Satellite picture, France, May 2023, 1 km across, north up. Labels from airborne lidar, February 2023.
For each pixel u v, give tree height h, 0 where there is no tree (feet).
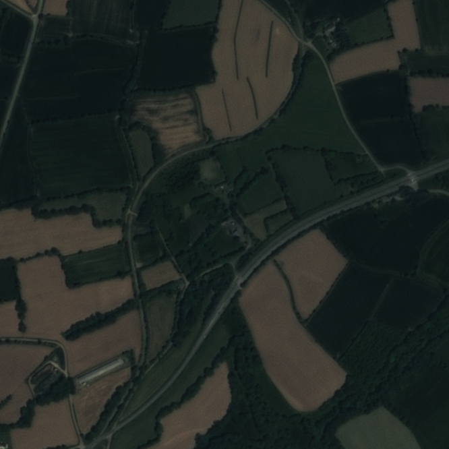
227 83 0
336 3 0
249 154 0
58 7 0
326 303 0
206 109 0
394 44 0
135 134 0
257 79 0
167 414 49
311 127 0
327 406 29
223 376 0
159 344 0
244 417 54
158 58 0
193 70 0
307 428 44
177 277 0
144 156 0
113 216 0
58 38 0
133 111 0
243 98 0
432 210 0
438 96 0
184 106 0
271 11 0
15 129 0
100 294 0
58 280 0
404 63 0
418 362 68
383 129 0
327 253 0
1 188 0
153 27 0
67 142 0
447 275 0
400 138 0
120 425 0
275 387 0
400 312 0
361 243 0
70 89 0
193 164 23
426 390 0
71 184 0
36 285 0
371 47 0
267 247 0
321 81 0
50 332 0
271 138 0
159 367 0
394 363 26
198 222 0
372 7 0
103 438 0
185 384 0
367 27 0
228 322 0
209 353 0
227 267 43
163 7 0
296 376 0
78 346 0
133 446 0
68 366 0
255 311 0
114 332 0
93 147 0
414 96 0
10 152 0
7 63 0
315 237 0
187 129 0
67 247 0
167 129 0
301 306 0
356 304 0
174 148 0
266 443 29
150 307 0
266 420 24
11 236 0
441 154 0
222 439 38
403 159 0
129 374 0
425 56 0
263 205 0
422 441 0
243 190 37
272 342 0
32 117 0
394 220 0
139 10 0
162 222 0
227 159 0
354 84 0
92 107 0
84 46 0
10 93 0
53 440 0
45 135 0
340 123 0
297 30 0
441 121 0
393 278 0
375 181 33
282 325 0
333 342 0
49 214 49
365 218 0
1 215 0
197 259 54
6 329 0
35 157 0
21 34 0
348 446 0
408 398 0
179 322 52
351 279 0
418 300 0
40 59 0
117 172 0
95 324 59
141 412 0
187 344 0
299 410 0
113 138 0
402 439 0
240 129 0
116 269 0
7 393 0
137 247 0
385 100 0
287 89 0
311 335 0
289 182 0
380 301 0
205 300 26
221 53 0
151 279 0
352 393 50
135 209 0
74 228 0
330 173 44
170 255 31
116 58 0
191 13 0
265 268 0
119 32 0
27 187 0
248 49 0
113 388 0
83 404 0
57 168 0
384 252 0
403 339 19
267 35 0
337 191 0
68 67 0
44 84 0
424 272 0
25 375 0
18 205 63
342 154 28
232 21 0
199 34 0
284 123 0
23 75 0
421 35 0
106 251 0
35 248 0
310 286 0
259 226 0
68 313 0
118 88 0
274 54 0
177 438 0
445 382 0
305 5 0
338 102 0
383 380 38
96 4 0
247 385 34
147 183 0
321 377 0
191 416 0
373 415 0
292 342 0
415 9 0
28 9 0
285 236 0
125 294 0
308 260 0
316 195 0
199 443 52
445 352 0
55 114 0
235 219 52
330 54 26
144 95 41
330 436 56
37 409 0
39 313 0
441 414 0
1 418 0
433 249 0
